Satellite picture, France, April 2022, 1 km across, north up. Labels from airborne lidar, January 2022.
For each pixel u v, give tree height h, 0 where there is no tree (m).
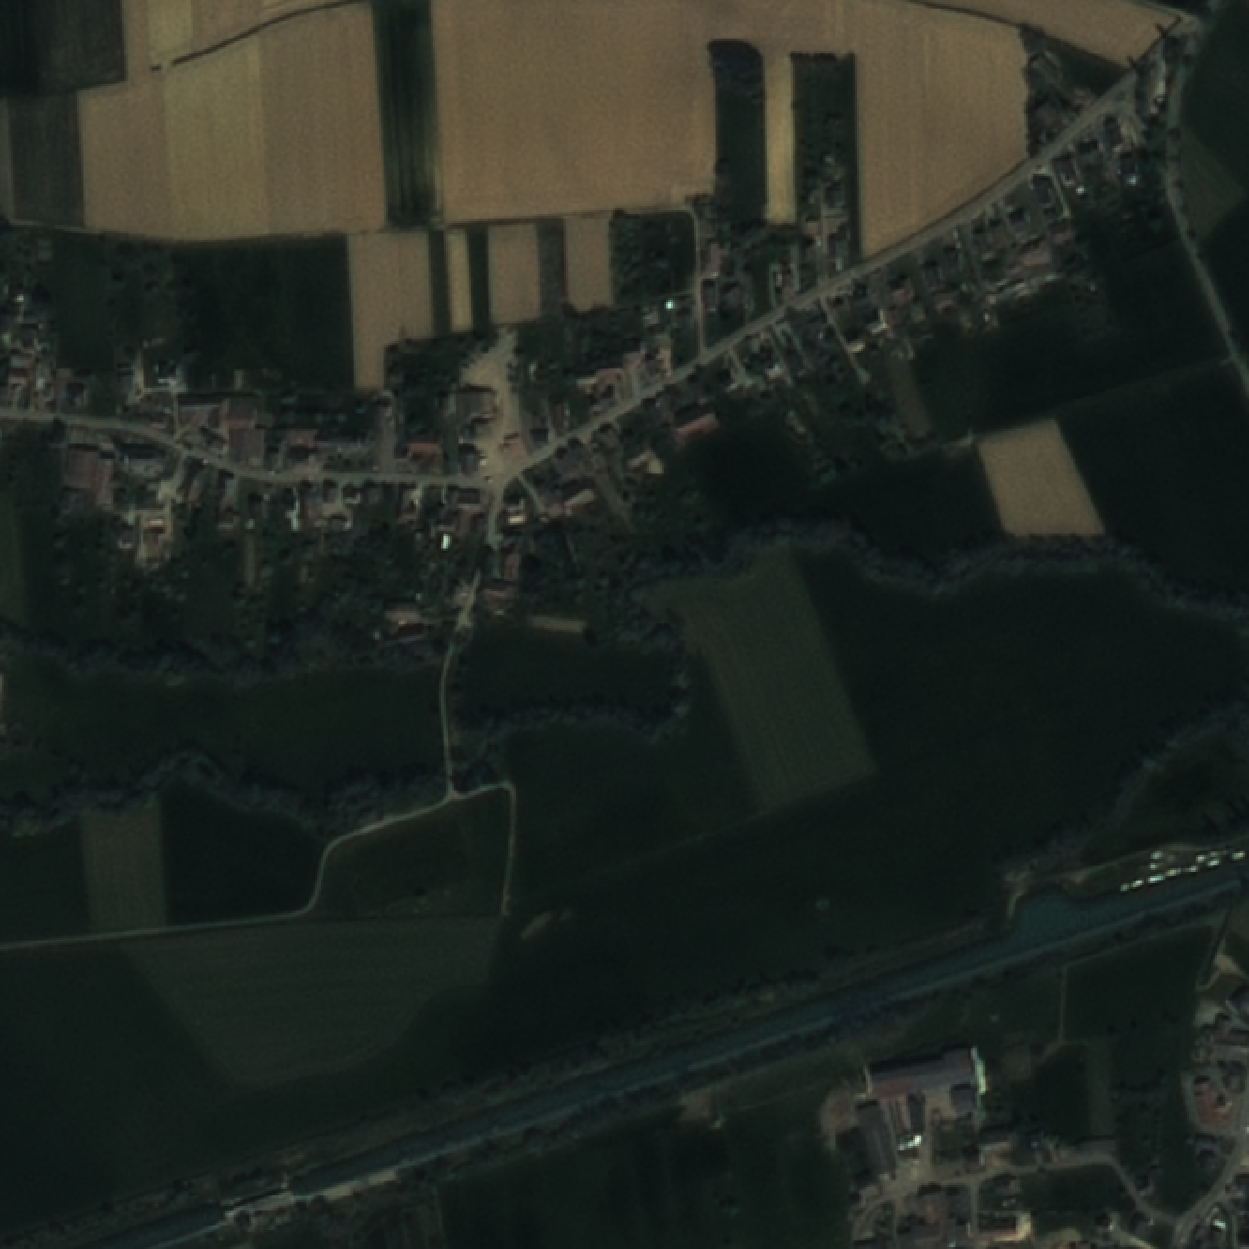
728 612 0
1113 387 0
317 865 0
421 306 0
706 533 0
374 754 0
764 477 0
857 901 0
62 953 0
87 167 0
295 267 0
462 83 0
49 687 0
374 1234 0
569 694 0
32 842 0
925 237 0
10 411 0
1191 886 0
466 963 0
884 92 0
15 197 0
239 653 14
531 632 0
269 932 0
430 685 0
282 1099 0
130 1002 0
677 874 0
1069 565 16
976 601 0
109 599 0
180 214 0
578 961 0
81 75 0
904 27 0
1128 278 0
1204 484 0
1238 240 0
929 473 0
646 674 0
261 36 0
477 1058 0
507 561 0
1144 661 0
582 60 0
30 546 0
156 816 0
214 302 0
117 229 0
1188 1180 0
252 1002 0
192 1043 0
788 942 0
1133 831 0
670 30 0
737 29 0
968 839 0
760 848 0
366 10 0
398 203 0
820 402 0
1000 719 0
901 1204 0
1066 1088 0
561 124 0
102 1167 0
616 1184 0
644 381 0
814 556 0
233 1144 0
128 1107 0
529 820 0
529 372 0
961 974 0
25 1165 0
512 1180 0
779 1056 17
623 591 19
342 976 0
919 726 0
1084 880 0
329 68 0
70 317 0
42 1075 0
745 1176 0
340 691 0
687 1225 0
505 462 0
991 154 0
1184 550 0
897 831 0
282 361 0
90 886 0
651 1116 0
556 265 0
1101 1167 0
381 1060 0
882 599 0
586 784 0
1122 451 0
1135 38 0
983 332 0
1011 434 0
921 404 0
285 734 0
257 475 0
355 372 0
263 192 0
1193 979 0
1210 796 0
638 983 0
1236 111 0
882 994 0
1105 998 0
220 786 16
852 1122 0
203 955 0
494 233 0
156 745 0
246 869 0
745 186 0
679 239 0
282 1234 0
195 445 0
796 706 0
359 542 9
